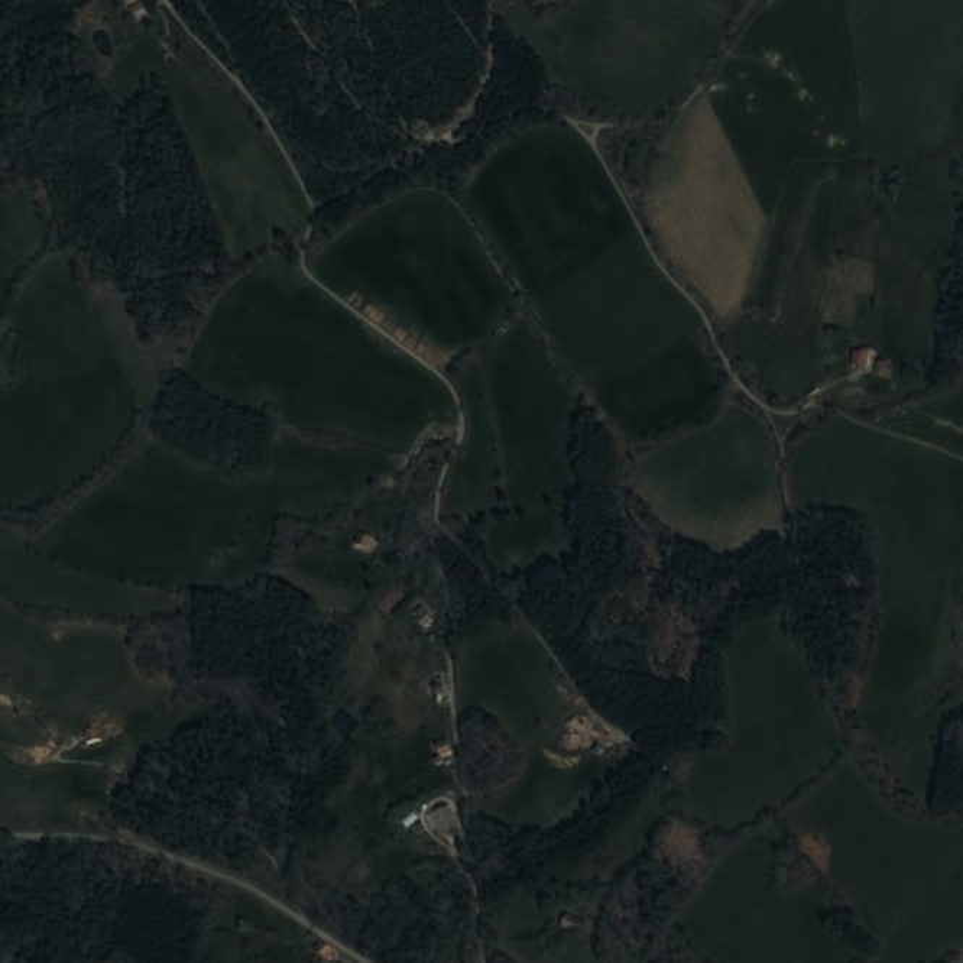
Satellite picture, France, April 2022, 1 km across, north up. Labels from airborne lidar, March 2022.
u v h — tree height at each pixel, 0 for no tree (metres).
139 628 15
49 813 0
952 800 23
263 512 0
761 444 0
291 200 0
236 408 15
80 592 0
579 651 15
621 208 0
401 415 0
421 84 15
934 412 0
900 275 0
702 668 18
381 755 0
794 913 0
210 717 14
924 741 0
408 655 0
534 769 0
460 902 22
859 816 0
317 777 19
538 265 0
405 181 13
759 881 0
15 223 0
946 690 0
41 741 0
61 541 0
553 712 0
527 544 0
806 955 0
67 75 19
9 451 0
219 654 28
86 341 0
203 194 25
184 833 22
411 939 21
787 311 0
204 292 17
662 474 0
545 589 27
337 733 19
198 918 16
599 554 22
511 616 13
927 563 0
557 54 0
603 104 0
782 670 0
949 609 0
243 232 0
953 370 25
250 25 13
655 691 17
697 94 0
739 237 0
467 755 20
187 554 0
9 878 23
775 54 0
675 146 0
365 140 10
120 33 0
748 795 0
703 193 0
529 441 0
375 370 0
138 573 0
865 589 21
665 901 25
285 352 0
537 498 0
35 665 0
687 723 23
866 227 0
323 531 12
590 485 21
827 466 0
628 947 16
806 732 0
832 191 0
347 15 21
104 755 0
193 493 0
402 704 0
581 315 0
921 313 0
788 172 0
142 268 19
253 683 28
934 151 0
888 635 0
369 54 9
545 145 0
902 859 0
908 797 14
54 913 32
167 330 20
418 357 0
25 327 0
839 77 0
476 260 0
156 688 0
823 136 0
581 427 21
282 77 12
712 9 0
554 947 6
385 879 0
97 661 0
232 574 0
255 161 0
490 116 16
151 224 22
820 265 0
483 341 0
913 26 0
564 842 25
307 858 26
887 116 0
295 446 0
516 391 0
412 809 10
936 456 0
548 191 0
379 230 0
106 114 13
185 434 23
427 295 0
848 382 0
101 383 0
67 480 0
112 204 9
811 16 0
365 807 0
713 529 0
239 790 28
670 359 0
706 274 0
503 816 0
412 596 8
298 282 0
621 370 0
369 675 0
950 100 0
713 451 0
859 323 0
